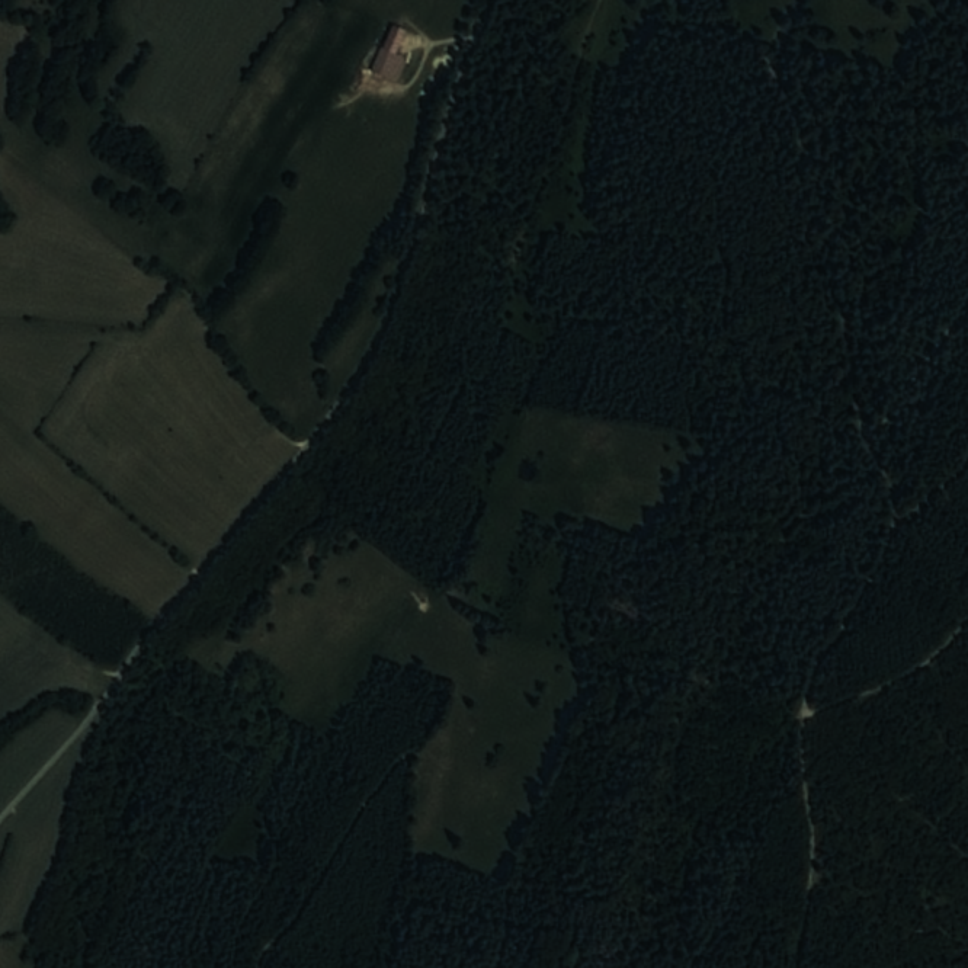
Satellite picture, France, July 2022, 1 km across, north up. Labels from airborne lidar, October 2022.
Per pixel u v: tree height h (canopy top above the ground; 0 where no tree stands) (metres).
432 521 12
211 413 0
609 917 20
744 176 28
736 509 12
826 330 28
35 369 0
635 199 33
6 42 0
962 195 6
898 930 11
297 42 0
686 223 29
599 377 25
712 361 20
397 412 23
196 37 0
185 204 17
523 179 33
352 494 25
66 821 14
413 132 0
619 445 0
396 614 0
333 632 0
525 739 0
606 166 17
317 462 20
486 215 29
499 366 25
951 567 13
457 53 17
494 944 29
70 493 0
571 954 27
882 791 13
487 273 25
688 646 19
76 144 0
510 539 0
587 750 6
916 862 9
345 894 12
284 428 18
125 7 0
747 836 9
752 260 26
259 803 7
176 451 0
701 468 30
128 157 24
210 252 0
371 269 21
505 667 0
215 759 28
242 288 21
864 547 32
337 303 0
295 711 0
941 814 14
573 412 20
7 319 0
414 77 0
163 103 0
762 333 23
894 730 15
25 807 0
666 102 30
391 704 15
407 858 19
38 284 0
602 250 15
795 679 32
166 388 0
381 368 28
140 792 14
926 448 27
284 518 32
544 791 31
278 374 0
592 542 27
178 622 28
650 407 28
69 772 0
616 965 32
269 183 0
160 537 10
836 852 11
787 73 29
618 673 8
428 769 0
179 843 37
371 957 11
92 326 0
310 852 14
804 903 15
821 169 31
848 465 18
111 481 0
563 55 34
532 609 0
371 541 18
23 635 0
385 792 14
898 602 15
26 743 0
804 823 10
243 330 0
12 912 0
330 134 0
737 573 18
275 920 10
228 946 27
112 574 0
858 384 29
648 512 0
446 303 31
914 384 30
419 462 13
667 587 29
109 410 0
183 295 0
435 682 19
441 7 0
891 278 20
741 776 9
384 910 12
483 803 0
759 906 14
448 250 27
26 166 0
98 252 0
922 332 44
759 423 22
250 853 0
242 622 23
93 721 0
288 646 0
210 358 0
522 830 22
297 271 0
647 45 34
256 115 0
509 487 0
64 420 0
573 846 10
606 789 9
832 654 20
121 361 0
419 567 22
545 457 9
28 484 0
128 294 0
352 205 0
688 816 7
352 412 25
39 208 0
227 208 0
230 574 31
